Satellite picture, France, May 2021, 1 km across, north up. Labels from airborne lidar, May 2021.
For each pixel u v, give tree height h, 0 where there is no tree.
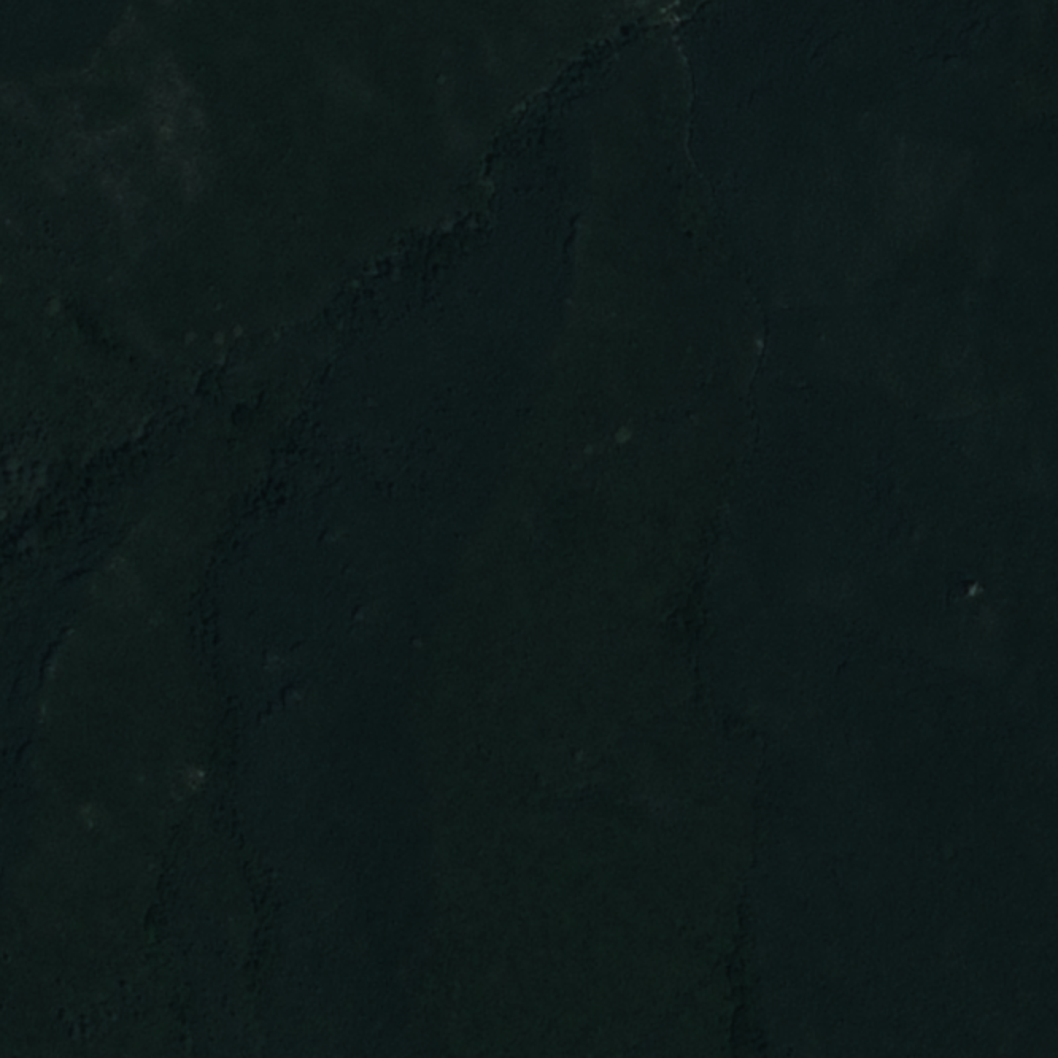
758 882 6
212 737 7
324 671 6
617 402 6
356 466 7
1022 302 5
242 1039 6
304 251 9
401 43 7
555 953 6
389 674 6
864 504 5
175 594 6
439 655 6
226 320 6
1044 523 7
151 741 6
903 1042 6
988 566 7
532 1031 7
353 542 6
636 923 6
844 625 8
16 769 7
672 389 7
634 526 8
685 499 8
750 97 5
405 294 7
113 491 7
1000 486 7
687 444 6
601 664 6
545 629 6
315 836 6
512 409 5
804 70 6
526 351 6
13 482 26
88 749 6
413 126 6
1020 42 7
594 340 5
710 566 8
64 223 7
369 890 5
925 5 6
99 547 6
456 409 7
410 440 6
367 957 6
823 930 6
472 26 6
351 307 11
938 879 6
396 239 16
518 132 8
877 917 8
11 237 6
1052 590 6
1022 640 6
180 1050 7
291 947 6
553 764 6
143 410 9
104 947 7
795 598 6
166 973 6
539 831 6
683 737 8
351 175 6
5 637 7
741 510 8
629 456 8
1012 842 5
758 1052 14
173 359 8
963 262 5
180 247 5
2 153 6
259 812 6
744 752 8
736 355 7
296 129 7
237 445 14
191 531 6
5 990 6
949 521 6
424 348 6
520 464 5
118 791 6
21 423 10
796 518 6
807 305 6
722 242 13
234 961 10
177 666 8
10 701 6
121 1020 7
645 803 5
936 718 6
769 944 6
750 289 12
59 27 6
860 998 6
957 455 7
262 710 8
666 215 9
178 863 6
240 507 12
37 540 24
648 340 6
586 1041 6
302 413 10
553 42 7
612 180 5
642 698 7
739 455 6
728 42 6
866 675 6
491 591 6
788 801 8
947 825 6
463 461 7
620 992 6
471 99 6
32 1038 6
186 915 7
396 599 6
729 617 8
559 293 6
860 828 5
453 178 7
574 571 6
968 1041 6
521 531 7
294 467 7
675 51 8
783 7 5
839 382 8
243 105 6
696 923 7
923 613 5
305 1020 6
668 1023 7
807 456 8
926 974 6
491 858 6
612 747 9
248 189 6
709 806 7
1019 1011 5
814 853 6
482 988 7
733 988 9
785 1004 7
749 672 6
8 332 8
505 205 8
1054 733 6
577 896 7
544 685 6
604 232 6
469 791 7
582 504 8
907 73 5
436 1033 6
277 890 7
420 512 6
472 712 7
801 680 5
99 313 8
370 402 11
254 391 6
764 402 7
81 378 7
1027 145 7
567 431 7
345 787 6
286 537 6
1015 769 6
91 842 6
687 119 8
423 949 5
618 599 6
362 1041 6
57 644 6
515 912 6
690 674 8
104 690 6
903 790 6
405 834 5
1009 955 6
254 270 6
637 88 8
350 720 6
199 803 9
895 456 6
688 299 8
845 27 7
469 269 7
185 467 5
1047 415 5
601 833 8
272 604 6
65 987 6
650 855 8
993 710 6
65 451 16
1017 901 6
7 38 5
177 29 6
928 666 7
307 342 7
